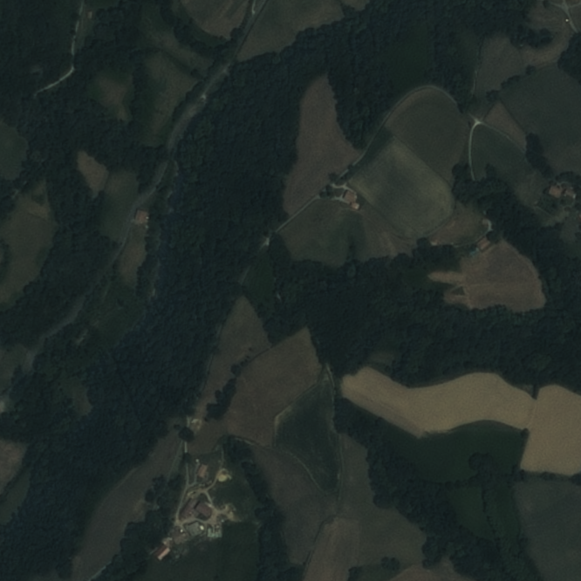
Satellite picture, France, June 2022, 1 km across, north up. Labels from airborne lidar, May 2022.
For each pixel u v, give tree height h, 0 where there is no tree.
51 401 31
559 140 0
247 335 0
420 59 0
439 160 0
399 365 10
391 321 22
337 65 20
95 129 26
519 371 21
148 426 24
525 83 0
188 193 34
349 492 0
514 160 0
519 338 12
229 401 17
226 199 17
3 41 12
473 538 11
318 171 0
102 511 0
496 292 0
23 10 23
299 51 24
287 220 7
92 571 0
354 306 22
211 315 20
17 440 12
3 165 0
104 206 15
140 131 24
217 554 0
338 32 27
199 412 0
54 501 15
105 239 15
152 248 22
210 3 0
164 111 0
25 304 11
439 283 0
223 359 0
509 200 29
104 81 0
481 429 0
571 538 0
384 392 0
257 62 19
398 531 0
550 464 0
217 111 19
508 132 0
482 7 32
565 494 0
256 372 0
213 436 0
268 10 0
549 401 0
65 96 18
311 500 0
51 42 21
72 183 27
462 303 0
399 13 24
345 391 0
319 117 0
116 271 8
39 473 25
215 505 0
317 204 0
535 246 17
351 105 28
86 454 21
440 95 0
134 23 22
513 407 0
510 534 0
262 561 12
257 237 10
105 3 0
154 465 0
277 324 20
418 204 0
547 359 28
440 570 0
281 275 13
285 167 24
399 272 7
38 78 17
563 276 25
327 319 17
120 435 23
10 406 0
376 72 6
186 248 29
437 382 0
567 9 0
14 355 0
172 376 29
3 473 0
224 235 12
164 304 15
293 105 16
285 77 20
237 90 25
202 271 16
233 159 23
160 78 0
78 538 19
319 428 0
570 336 24
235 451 21
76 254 27
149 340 25
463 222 0
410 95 0
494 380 0
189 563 0
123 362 24
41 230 0
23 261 0
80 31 0
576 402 0
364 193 0
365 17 24
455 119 0
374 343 17
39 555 25
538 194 0
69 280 25
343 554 0
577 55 21
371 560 0
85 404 0
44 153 27
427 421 0
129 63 24
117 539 0
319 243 0
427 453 0
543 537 0
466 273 0
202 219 28
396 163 0
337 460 0
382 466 27
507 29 14
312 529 0
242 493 0
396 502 27
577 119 0
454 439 0
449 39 24
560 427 0
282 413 0
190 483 0
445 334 21
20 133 13
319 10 0
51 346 10
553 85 0
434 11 18
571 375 19
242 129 17
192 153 35
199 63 0
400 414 0
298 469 0
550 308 12
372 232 0
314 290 17
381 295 31
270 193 19
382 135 0
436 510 22
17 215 0
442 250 14
